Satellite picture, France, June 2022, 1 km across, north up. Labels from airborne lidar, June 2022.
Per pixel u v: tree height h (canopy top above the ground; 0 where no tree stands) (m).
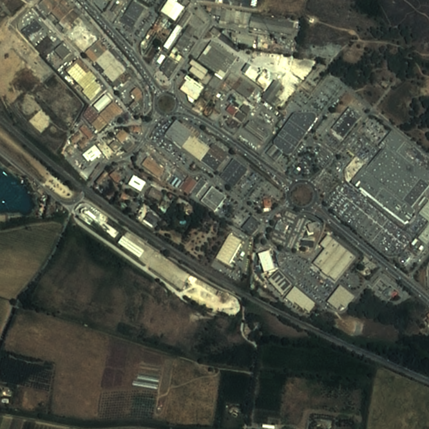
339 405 0
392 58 13
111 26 0
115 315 0
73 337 0
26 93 0
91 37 0
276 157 0
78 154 0
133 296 0
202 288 0
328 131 0
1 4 0
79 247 0
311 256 0
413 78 9
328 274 0
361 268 11
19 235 0
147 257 0
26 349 0
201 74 0
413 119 10
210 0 0
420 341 8
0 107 0
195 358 0
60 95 0
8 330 16
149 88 0
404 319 6
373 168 0
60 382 0
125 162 0
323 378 11
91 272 0
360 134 0
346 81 9
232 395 7
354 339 6
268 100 0
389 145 0
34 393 0
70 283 0
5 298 0
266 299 8
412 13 0
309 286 0
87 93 0
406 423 0
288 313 11
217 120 0
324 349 6
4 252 0
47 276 0
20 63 0
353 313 13
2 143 0
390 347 6
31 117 0
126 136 0
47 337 0
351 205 0
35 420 0
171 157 0
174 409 0
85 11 0
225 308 0
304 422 0
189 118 0
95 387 0
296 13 0
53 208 0
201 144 0
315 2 0
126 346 0
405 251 0
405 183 0
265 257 0
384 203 0
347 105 0
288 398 0
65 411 0
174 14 0
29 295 15
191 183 0
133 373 0
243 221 0
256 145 0
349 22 0
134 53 0
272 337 12
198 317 0
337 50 0
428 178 0
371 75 7
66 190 0
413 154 0
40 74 0
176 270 0
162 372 0
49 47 0
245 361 8
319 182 0
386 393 0
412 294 7
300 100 0
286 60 0
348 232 0
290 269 0
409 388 0
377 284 0
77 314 0
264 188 0
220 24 0
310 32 0
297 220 0
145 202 11
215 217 8
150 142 0
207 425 7
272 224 10
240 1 0
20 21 0
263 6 0
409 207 0
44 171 0
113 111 0
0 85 0
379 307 10
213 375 0
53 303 0
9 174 0
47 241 0
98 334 0
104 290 0
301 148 0
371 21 0
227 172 0
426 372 12
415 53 6
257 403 8
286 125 0
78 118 7
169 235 11
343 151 0
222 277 0
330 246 0
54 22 0
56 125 0
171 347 7
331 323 13
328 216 0
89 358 0
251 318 19
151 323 0
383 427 0
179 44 0
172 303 0
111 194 17
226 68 0
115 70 0
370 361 15
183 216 10
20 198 0
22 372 7
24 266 0
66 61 0
